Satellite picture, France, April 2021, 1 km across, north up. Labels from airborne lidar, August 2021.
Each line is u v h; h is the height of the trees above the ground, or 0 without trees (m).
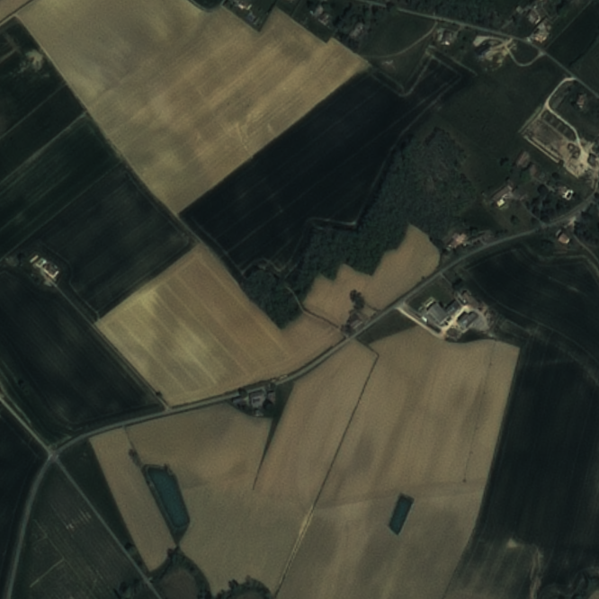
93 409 0
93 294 0
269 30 0
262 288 15
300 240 0
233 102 0
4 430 0
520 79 0
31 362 0
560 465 0
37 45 0
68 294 0
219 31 0
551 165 0
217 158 0
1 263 0
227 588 0
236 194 0
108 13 0
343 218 0
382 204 16
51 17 0
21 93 0
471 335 0
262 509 0
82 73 0
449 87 0
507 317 0
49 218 0
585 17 0
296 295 12
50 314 0
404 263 0
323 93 0
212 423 0
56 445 0
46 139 0
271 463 0
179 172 0
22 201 0
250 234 0
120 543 0
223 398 0
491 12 15
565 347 0
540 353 0
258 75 0
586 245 12
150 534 0
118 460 0
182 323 0
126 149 0
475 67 0
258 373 0
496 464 0
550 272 0
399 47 0
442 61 0
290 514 0
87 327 0
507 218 0
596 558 0
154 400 0
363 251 22
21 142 0
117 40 0
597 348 0
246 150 0
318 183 0
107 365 0
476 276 0
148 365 0
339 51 0
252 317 0
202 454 0
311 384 0
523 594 0
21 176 0
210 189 0
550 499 0
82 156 0
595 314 0
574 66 6
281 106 0
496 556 0
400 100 0
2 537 0
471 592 0
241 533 0
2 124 0
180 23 0
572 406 0
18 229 0
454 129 0
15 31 0
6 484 0
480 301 5
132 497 0
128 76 0
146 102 0
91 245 0
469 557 0
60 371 0
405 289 0
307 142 0
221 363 0
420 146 21
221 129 0
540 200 8
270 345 0
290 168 0
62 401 0
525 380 0
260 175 0
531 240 0
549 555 0
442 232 16
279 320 12
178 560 25
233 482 0
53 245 0
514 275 0
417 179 13
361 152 0
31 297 0
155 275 0
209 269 0
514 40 0
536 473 0
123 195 0
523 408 0
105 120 0
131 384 0
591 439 0
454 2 17
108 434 0
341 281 0
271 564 0
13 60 0
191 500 0
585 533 0
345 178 0
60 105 0
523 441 0
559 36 0
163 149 0
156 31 0
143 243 0
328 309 0
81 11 0
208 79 0
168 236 0
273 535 0
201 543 0
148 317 0
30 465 0
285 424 0
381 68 0
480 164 0
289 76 0
